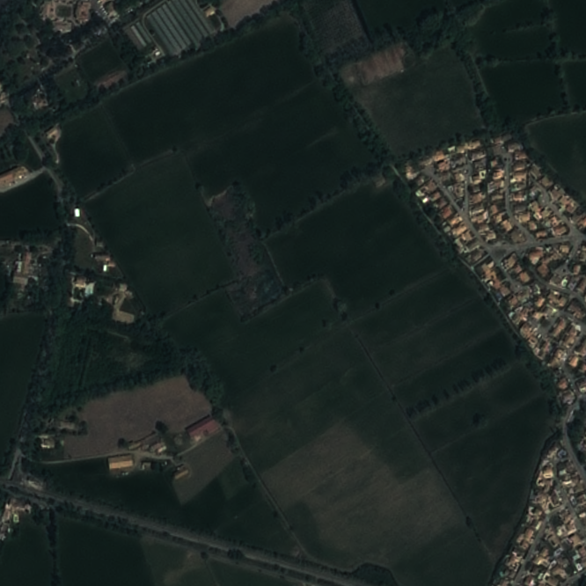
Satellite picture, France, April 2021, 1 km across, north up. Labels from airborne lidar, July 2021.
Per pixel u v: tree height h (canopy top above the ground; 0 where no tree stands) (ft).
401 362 0
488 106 47
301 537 0
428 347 0
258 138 0
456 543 0
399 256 0
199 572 0
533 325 0
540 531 0
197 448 0
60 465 0
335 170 0
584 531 0
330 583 28
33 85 24
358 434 0
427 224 39
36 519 35
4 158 43
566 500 0
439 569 0
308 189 0
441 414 0
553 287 0
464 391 71
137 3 42
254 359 0
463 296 0
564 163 0
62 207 31
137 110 0
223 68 0
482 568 0
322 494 0
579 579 0
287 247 0
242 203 46
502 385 0
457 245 26
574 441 49
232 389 0
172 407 0
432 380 0
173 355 41
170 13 0
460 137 48
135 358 0
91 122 0
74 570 0
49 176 0
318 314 0
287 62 0
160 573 0
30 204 0
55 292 58
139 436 0
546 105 0
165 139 0
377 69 0
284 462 0
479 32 0
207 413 0
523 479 0
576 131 0
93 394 36
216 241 0
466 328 0
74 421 39
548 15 67
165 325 0
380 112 0
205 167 0
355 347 0
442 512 0
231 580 0
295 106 0
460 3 0
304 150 0
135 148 0
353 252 0
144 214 0
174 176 0
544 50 0
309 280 28
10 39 28
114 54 0
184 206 0
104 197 0
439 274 0
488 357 0
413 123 0
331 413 0
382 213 0
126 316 0
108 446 0
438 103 0
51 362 50
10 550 0
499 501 0
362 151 0
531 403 0
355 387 0
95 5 0
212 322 0
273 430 0
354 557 0
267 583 0
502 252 0
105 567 0
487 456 0
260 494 0
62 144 0
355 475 0
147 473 0
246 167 0
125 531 44
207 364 51
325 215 0
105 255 0
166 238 0
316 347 0
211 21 0
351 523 0
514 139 31
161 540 0
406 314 0
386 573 30
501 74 0
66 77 0
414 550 0
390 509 0
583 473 0
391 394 0
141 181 0
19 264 0
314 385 0
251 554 0
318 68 24
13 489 33
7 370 0
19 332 0
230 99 0
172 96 0
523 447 0
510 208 0
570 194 33
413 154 29
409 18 0
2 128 0
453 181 39
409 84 0
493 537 0
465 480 0
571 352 0
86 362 26
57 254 47
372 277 0
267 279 0
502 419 0
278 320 0
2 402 0
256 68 0
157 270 0
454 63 0
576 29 0
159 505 0
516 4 0
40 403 41
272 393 0
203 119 0
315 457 0
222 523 0
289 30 0
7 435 0
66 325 40
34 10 49
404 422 0
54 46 20
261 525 0
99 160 0
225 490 0
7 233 0
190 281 0
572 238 0
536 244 0
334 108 0
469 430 0
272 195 0
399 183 42
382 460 0
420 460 0
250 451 0
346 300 0
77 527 0
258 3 0
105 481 0
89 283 41
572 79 0
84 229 0
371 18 0
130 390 49
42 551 0
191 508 0
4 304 37
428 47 45
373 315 0
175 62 49
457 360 0
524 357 64
